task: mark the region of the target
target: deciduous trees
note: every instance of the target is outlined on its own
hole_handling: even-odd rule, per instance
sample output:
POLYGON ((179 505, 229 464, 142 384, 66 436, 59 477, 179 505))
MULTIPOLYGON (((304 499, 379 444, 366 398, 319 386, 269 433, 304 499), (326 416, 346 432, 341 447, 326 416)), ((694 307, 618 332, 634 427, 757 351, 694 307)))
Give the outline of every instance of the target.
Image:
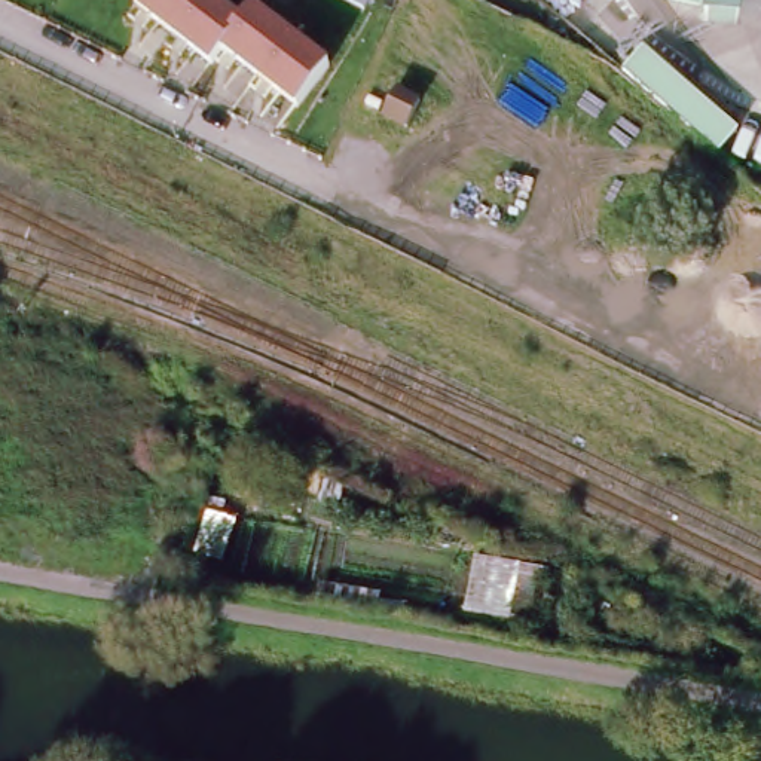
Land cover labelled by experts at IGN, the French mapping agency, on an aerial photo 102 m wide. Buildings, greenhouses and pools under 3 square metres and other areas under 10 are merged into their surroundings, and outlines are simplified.
POLYGON ((731 722, 734 710, 728 710, 725 705, 707 707, 707 702, 690 702, 690 696, 681 702, 666 687, 657 693, 630 693, 624 687, 624 702, 618 707, 589 705, 577 707, 571 716, 600 722, 609 743, 642 761, 761 761, 761 716, 746 719, 740 725, 731 722))
POLYGON ((155 678, 169 687, 193 675, 208 675, 214 663, 235 651, 232 639, 235 627, 241 624, 229 621, 226 615, 211 618, 208 603, 208 598, 202 595, 161 598, 143 606, 113 600, 107 606, 107 621, 101 621, 92 630, 95 648, 107 666, 119 669, 122 675, 155 678))
POLYGON ((675 259, 687 259, 693 250, 702 247, 702 235, 710 229, 710 214, 710 196, 699 184, 660 178, 654 190, 645 193, 645 202, 636 208, 636 244, 666 247, 675 259))
POLYGON ((119 737, 71 737, 54 743, 45 755, 33 761, 161 761, 143 746, 119 737))

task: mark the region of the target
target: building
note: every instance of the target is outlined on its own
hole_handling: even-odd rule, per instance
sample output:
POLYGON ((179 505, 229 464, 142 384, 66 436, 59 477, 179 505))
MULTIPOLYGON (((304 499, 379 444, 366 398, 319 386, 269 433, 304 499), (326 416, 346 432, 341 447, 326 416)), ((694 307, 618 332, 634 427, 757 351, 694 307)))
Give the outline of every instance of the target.
POLYGON ((404 122, 410 116, 410 104, 404 98, 395 98, 395 86, 375 86, 372 95, 366 95, 369 110, 378 110, 392 122, 404 122))
POLYGON ((473 559, 464 609, 499 618, 508 615, 511 603, 529 603, 535 565, 502 556, 473 559))
POLYGON ((707 95, 702 95, 681 71, 675 71, 648 45, 636 48, 627 59, 621 59, 621 65, 621 74, 630 83, 636 83, 660 107, 675 110, 681 122, 702 134, 710 146, 725 143, 734 119, 722 113, 707 95))
POLYGON ((285 89, 297 89, 303 74, 327 56, 321 45, 315 45, 303 30, 288 24, 262 0, 146 0, 155 12, 161 12, 202 48, 226 42, 285 89))
POLYGON ((586 92, 580 98, 580 107, 586 113, 600 113, 603 98, 586 92))
POLYGON ((612 131, 618 149, 639 146, 636 134, 642 125, 636 122, 636 116, 621 116, 612 131))
POLYGON ((202 511, 193 550, 208 550, 211 538, 229 544, 235 520, 235 514, 226 511, 223 499, 211 496, 208 508, 202 511))
POLYGON ((699 21, 737 21, 740 0, 669 0, 675 9, 699 21))

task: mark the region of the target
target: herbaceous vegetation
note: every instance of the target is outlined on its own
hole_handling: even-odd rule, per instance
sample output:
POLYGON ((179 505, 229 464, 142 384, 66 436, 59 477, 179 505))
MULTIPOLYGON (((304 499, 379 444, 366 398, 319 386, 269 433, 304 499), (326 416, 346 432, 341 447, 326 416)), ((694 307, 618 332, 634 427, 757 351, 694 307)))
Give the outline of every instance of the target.
POLYGON ((107 621, 107 606, 113 600, 68 598, 0 583, 0 615, 12 621, 68 621, 92 630, 101 621, 107 621))
POLYGON ((627 184, 621 187, 612 208, 592 217, 592 229, 609 247, 609 253, 636 244, 636 208, 645 202, 645 193, 654 190, 660 178, 699 184, 710 196, 710 214, 725 211, 731 196, 737 196, 740 202, 752 202, 752 214, 761 217, 761 187, 746 175, 758 161, 734 155, 725 143, 710 146, 702 134, 681 122, 675 110, 660 107, 636 83, 630 83, 621 74, 621 65, 612 65, 589 48, 568 42, 559 33, 529 18, 511 15, 488 0, 449 0, 473 12, 476 21, 493 24, 493 30, 488 33, 488 45, 482 51, 508 59, 499 86, 499 101, 514 116, 520 116, 529 125, 541 125, 553 113, 559 125, 574 125, 574 131, 589 137, 592 146, 618 149, 612 131, 621 116, 636 116, 636 122, 642 125, 636 134, 639 146, 669 149, 669 166, 627 172, 627 184), (603 98, 600 113, 586 113, 580 107, 580 98, 586 92, 603 98))
POLYGON ((232 639, 235 651, 253 654, 265 663, 369 666, 383 675, 404 678, 416 687, 428 684, 473 702, 508 705, 520 710, 553 710, 571 716, 577 707, 589 705, 618 707, 624 702, 624 687, 574 684, 511 669, 479 666, 467 660, 431 657, 419 651, 395 651, 348 639, 324 639, 241 624, 235 627, 232 639))
POLYGON ((562 657, 571 663, 615 666, 621 672, 648 669, 648 654, 612 654, 592 648, 568 651, 565 645, 550 645, 529 636, 511 639, 502 633, 479 624, 461 627, 449 618, 422 615, 407 606, 389 606, 381 600, 357 606, 321 595, 306 598, 291 589, 235 589, 229 580, 214 577, 193 556, 181 559, 178 577, 158 577, 161 598, 202 595, 208 598, 208 603, 244 603, 250 609, 265 612, 285 612, 354 627, 482 645, 511 654, 562 657))
POLYGON ((425 187, 431 196, 440 196, 446 202, 449 217, 458 217, 464 223, 476 220, 490 238, 499 226, 520 226, 517 214, 526 208, 526 196, 532 187, 532 178, 526 178, 526 172, 532 163, 526 161, 511 161, 505 152, 496 149, 473 149, 461 169, 434 175, 425 187))
POLYGON ((288 24, 303 30, 315 45, 321 45, 327 56, 327 74, 309 89, 309 95, 291 113, 282 137, 300 134, 297 143, 318 155, 327 152, 339 137, 363 137, 375 140, 381 149, 392 155, 407 149, 422 134, 428 134, 452 107, 452 92, 434 77, 431 68, 419 65, 416 56, 404 48, 404 27, 416 12, 413 0, 262 0, 288 24), (392 122, 378 110, 369 110, 366 95, 372 95, 375 86, 395 86, 395 98, 404 98, 410 104, 410 116, 404 122, 392 122))
POLYGON ((288 205, 288 196, 271 190, 268 184, 253 181, 226 163, 211 161, 199 149, 175 137, 166 137, 155 128, 146 128, 143 122, 54 80, 51 74, 42 74, 0 54, 0 163, 15 166, 54 190, 83 196, 92 205, 101 205, 125 217, 128 223, 158 238, 166 238, 184 250, 205 253, 208 259, 271 288, 288 303, 303 303, 327 321, 363 333, 369 342, 378 342, 416 363, 428 363, 431 369, 499 401, 505 410, 535 419, 544 428, 559 428, 577 443, 586 443, 592 452, 603 455, 606 461, 630 464, 636 473, 678 485, 696 493, 707 508, 716 508, 719 514, 743 526, 761 529, 761 431, 642 372, 633 372, 603 357, 600 351, 505 306, 502 300, 493 300, 479 288, 470 288, 455 276, 324 214, 309 205, 297 211, 288 205))
POLYGON ((131 33, 125 15, 131 9, 131 0, 9 0, 48 21, 56 21, 59 27, 77 21, 74 33, 95 39, 101 51, 113 54, 128 51, 131 33))

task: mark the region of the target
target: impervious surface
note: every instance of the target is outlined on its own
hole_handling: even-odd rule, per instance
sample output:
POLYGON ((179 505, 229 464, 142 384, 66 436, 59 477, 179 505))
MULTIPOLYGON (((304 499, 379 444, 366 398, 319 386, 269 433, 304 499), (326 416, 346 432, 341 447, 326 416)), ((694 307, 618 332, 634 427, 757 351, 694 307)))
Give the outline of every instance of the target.
POLYGON ((68 598, 113 600, 143 606, 161 598, 158 577, 80 577, 71 571, 24 568, 0 559, 0 583, 68 598))
POLYGON ((366 217, 372 223, 381 214, 386 214, 446 235, 458 232, 490 238, 476 220, 464 223, 458 217, 449 217, 419 214, 389 193, 392 155, 381 149, 375 140, 363 137, 339 137, 327 152, 318 155, 297 143, 300 134, 282 137, 291 113, 309 95, 309 89, 327 74, 327 56, 303 74, 297 89, 285 89, 226 42, 202 48, 161 12, 155 12, 146 0, 131 0, 131 9, 125 15, 131 33, 128 51, 113 54, 101 51, 95 39, 74 33, 77 21, 59 27, 56 21, 48 21, 9 0, 0 0, 0 54, 42 74, 51 74, 54 80, 143 122, 146 128, 155 128, 166 137, 175 137, 199 149, 211 161, 226 163, 253 181, 268 184, 271 190, 288 196, 288 205, 297 211, 309 205, 324 214, 327 205, 336 202, 345 211, 366 217))
POLYGON ((265 612, 250 609, 244 603, 208 603, 211 618, 226 615, 229 621, 241 624, 324 639, 348 639, 395 651, 419 651, 431 657, 467 660, 479 666, 511 669, 574 684, 624 687, 630 693, 657 693, 666 687, 681 702, 690 696, 690 702, 707 702, 707 707, 725 705, 728 710, 734 710, 731 722, 740 725, 746 719, 761 716, 761 684, 740 678, 731 690, 725 690, 716 684, 702 684, 696 678, 663 681, 654 669, 648 669, 621 672, 615 666, 571 663, 562 657, 511 654, 482 645, 354 627, 285 612, 265 612))
POLYGON ((746 175, 761 187, 761 0, 740 0, 737 21, 699 21, 675 9, 669 0, 488 0, 511 15, 529 18, 559 33, 568 42, 589 48, 612 65, 621 65, 621 59, 627 59, 636 48, 648 45, 675 71, 681 71, 702 95, 707 95, 722 113, 734 119, 725 143, 734 155, 758 161, 746 175))

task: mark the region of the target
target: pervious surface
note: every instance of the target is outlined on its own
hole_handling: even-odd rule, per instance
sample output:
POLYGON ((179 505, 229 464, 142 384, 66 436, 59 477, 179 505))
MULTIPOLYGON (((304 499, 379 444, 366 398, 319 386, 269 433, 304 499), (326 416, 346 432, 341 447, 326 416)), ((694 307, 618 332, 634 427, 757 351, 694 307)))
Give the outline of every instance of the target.
POLYGON ((648 553, 654 553, 666 574, 678 580, 705 580, 722 595, 731 595, 737 600, 734 612, 761 627, 761 529, 743 526, 719 514, 716 508, 707 508, 696 493, 678 485, 636 473, 630 464, 606 461, 603 455, 592 452, 586 443, 577 443, 559 428, 544 428, 535 419, 505 410, 499 401, 431 369, 428 363, 416 363, 378 342, 369 342, 363 333, 327 321, 303 303, 288 303, 271 288, 208 259, 205 253, 184 250, 166 238, 158 238, 128 223, 125 217, 101 205, 92 205, 83 196, 54 190, 15 166, 0 163, 0 318, 6 318, 12 333, 83 339, 98 351, 119 354, 134 372, 149 369, 146 354, 181 354, 196 366, 211 366, 217 375, 226 375, 235 383, 241 383, 238 398, 250 410, 247 431, 268 443, 276 443, 279 449, 294 455, 294 461, 309 473, 342 467, 348 455, 360 458, 363 464, 386 458, 392 461, 398 479, 413 470, 428 470, 443 488, 464 485, 473 493, 514 490, 526 502, 526 517, 550 523, 553 517, 568 514, 571 526, 586 532, 589 538, 592 532, 603 532, 612 526, 618 535, 627 535, 648 553))
POLYGON ((761 217, 752 214, 752 202, 740 202, 737 196, 731 196, 725 211, 710 214, 710 229, 702 235, 702 247, 693 250, 687 259, 675 259, 666 247, 636 244, 609 253, 609 247, 592 229, 592 217, 612 208, 621 187, 627 184, 627 172, 669 166, 669 149, 639 146, 618 149, 592 146, 589 137, 574 131, 574 125, 559 125, 553 113, 541 125, 529 125, 520 116, 514 116, 499 101, 499 86, 508 59, 482 51, 488 45, 488 33, 493 30, 493 24, 476 21, 473 12, 449 0, 413 0, 416 12, 404 27, 404 48, 416 56, 419 65, 431 68, 434 77, 452 92, 452 107, 428 134, 422 134, 407 149, 392 155, 389 193, 419 214, 449 217, 446 202, 440 196, 431 196, 425 187, 434 175, 461 169, 473 149, 496 149, 505 152, 511 161, 526 161, 532 163, 526 172, 526 178, 532 178, 532 187, 526 196, 526 208, 517 214, 520 226, 499 226, 490 238, 458 232, 446 235, 386 214, 381 214, 372 223, 366 217, 345 211, 336 202, 327 205, 324 214, 455 276, 470 288, 479 288, 493 300, 502 300, 505 306, 600 351, 603 357, 633 372, 642 372, 761 431, 761 217))

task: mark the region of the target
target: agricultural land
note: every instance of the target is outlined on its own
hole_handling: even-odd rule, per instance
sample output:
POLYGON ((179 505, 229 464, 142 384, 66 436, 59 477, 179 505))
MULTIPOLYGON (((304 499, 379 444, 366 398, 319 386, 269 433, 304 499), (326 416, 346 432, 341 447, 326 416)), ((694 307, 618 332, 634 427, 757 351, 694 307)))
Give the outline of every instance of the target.
POLYGON ((229 544, 211 538, 208 550, 193 550, 193 556, 214 577, 229 580, 235 589, 291 589, 306 598, 321 595, 357 606, 381 600, 389 606, 407 606, 422 615, 449 618, 461 627, 479 624, 502 633, 508 627, 508 615, 499 618, 464 609, 473 559, 467 550, 440 550, 437 538, 428 538, 425 544, 392 544, 372 541, 366 535, 342 535, 342 523, 336 520, 333 526, 306 523, 306 529, 297 529, 297 535, 282 535, 271 529, 247 529, 247 517, 235 520, 229 544))

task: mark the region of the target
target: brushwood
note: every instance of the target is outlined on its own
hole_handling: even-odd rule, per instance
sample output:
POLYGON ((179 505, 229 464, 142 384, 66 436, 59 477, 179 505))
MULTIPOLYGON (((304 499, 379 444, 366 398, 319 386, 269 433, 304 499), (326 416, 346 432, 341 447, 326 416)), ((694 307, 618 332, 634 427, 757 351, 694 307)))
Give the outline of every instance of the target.
POLYGON ((725 690, 731 690, 740 678, 761 684, 761 627, 734 612, 737 600, 731 595, 722 595, 705 580, 678 580, 666 574, 654 553, 648 553, 627 535, 618 535, 612 526, 603 532, 592 532, 589 538, 586 532, 571 526, 568 514, 553 517, 550 523, 526 517, 526 502, 514 490, 473 493, 464 485, 443 488, 428 470, 413 470, 398 479, 392 461, 386 458, 363 464, 360 458, 348 455, 342 467, 309 473, 294 461, 294 455, 279 449, 276 443, 268 443, 247 431, 250 410, 238 398, 241 383, 235 383, 226 375, 217 375, 211 366, 196 366, 181 354, 146 354, 149 369, 134 372, 119 354, 98 351, 83 339, 12 333, 6 318, 0 318, 0 559, 24 568, 71 571, 80 577, 158 577, 178 577, 181 559, 193 556, 193 550, 202 511, 208 508, 211 496, 223 499, 226 511, 235 514, 235 520, 247 517, 247 529, 271 529, 282 535, 297 535, 297 529, 306 529, 306 523, 333 526, 336 520, 342 523, 342 535, 366 535, 372 541, 392 544, 425 544, 428 538, 437 538, 440 550, 467 550, 473 559, 502 556, 535 565, 529 603, 511 603, 508 615, 508 627, 502 633, 511 639, 529 636, 550 645, 565 645, 568 651, 592 648, 612 654, 648 654, 648 669, 654 669, 663 681, 696 678, 702 684, 716 684, 725 690))

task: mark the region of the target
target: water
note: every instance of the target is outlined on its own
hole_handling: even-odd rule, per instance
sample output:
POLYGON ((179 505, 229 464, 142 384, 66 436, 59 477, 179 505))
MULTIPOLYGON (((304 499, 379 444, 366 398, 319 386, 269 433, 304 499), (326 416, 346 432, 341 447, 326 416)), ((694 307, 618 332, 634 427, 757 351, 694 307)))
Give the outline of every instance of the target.
POLYGON ((143 746, 161 761, 642 761, 609 743, 600 722, 571 716, 553 710, 520 710, 508 705, 473 702, 428 684, 416 687, 404 678, 383 675, 369 666, 265 663, 253 654, 235 651, 214 663, 208 675, 193 675, 169 687, 155 678, 122 675, 119 669, 107 666, 95 648, 92 630, 68 621, 12 621, 0 615, 0 761, 33 761, 45 755, 54 743, 71 737, 119 737, 143 746))

